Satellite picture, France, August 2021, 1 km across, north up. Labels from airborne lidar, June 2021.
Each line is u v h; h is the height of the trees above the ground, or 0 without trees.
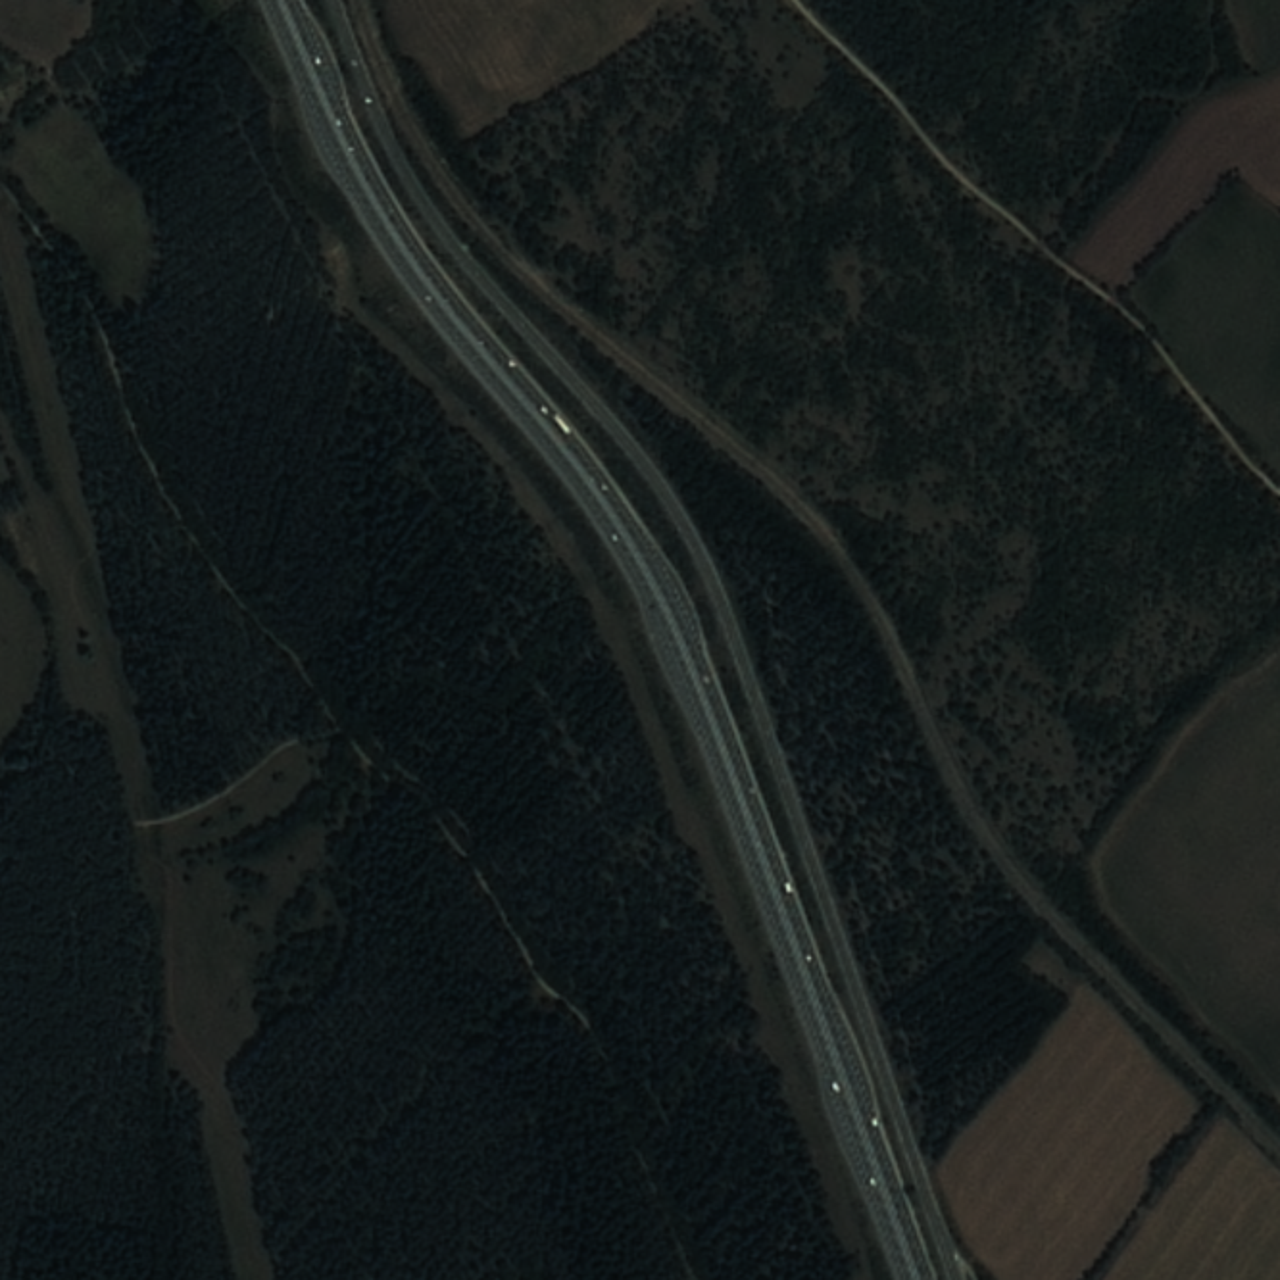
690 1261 11
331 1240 16
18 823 15
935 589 6
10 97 0
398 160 0
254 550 18
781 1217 15
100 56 12
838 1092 0
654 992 13
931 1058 11
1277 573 8
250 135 8
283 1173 18
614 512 0
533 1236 20
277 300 9
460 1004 28
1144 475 7
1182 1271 0
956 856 12
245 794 0
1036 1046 12
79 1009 13
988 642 6
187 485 17
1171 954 0
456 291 0
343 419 19
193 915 0
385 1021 19
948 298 6
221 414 15
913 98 6
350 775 10
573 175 8
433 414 10
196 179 12
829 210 6
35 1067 16
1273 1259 0
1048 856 8
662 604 0
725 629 0
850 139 7
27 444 11
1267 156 0
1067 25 6
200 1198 16
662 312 6
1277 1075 0
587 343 9
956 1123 13
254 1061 15
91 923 13
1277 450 0
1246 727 0
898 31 11
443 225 0
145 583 9
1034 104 7
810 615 14
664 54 8
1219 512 7
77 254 18
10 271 0
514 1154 18
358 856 19
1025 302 8
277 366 16
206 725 15
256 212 7
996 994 9
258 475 15
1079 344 6
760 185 7
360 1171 19
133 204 0
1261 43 0
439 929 24
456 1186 19
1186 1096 0
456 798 13
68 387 10
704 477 10
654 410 14
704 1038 11
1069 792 7
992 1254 0
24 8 0
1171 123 8
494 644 13
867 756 13
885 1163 0
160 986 10
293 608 20
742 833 0
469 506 13
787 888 0
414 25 0
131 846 14
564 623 7
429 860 24
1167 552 8
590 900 13
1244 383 0
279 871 0
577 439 0
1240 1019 0
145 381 16
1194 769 0
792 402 7
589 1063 28
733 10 6
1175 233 7
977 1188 0
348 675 16
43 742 10
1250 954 0
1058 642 6
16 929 16
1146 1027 7
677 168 7
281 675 15
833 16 6
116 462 13
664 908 10
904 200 5
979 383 7
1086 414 8
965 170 6
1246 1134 0
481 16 0
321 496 22
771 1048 0
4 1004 14
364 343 12
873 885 10
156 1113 13
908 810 5
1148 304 0
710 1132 11
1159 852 0
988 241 9
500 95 0
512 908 12
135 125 23
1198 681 7
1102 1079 0
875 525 9
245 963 0
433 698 16
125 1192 14
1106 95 7
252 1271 0
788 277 7
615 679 13
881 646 10
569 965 16
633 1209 23
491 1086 20
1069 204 7
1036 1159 0
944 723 6
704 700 0
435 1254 16
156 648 16
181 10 8
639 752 15
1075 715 9
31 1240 25
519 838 15
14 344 12
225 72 10
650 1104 14
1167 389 8
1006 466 8
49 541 0
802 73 0
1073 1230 0
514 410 0
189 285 10
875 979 7
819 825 10
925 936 6
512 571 11
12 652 0
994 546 6
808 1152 14
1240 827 0
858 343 7
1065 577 6
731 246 7
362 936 16
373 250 0
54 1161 11
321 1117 17
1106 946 9
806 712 11
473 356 0
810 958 0
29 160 0
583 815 12
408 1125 21
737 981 9
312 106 0
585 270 6
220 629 16
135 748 0
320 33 0
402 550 22
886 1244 0
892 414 7
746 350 7
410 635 18
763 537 9
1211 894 0
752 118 6
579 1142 28
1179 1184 0
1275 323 0
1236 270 0
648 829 8
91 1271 29
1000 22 8
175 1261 20
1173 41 7
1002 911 9
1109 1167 0
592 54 0
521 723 13
